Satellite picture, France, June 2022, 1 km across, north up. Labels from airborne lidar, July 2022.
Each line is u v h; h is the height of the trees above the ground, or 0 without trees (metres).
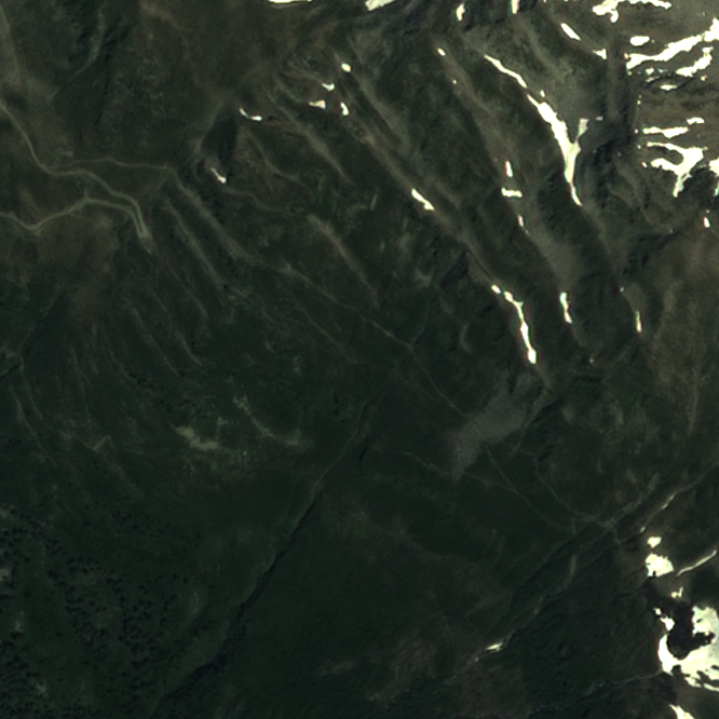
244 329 0
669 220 0
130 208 0
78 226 0
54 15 0
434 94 0
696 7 0
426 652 0
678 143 0
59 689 0
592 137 0
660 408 0
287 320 0
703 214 0
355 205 0
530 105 0
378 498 0
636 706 0
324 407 0
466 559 0
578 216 0
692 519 0
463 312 0
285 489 0
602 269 0
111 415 0
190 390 0
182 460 0
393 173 0
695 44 0
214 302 0
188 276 0
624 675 0
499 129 0
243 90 0
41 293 0
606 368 0
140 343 0
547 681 0
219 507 0
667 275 0
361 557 0
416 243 0
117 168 0
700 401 0
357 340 0
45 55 0
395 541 0
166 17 0
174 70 0
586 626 0
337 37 0
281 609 0
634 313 0
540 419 0
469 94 0
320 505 0
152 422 0
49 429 0
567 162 0
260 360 0
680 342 0
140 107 0
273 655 0
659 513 0
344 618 0
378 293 0
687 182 0
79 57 0
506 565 0
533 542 0
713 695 0
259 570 0
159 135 0
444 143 0
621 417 0
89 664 13
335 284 0
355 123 0
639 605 0
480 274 0
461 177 0
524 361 0
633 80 0
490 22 0
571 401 0
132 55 0
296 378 0
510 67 0
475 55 0
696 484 0
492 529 0
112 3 0
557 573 0
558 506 0
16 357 0
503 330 0
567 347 0
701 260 0
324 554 0
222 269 0
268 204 0
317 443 0
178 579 18
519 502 0
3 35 0
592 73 0
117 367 0
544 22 0
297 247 0
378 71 0
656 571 0
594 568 0
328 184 0
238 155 0
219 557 0
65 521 0
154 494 0
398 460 0
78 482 0
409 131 0
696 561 0
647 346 0
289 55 0
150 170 0
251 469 0
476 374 0
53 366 0
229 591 0
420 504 0
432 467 0
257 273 0
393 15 0
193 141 0
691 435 0
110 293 0
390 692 0
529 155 0
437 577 0
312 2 0
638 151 0
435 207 0
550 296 0
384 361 0
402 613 0
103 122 0
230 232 0
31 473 0
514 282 0
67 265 0
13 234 0
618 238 0
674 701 0
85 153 0
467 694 0
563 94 0
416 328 0
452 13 0
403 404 0
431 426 0
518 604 0
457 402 0
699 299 0
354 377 0
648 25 0
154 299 0
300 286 0
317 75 0
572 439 0
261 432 0
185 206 0
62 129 0
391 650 0
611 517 0
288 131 0
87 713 10
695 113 0
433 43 0
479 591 0
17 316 0
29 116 0
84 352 0
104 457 0
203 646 0
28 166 0
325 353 0
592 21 0
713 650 0
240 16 0
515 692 0
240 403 0
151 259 0
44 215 0
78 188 0
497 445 0
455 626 0
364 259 0
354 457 0
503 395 0
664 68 0
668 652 0
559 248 0
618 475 0
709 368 0
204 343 0
